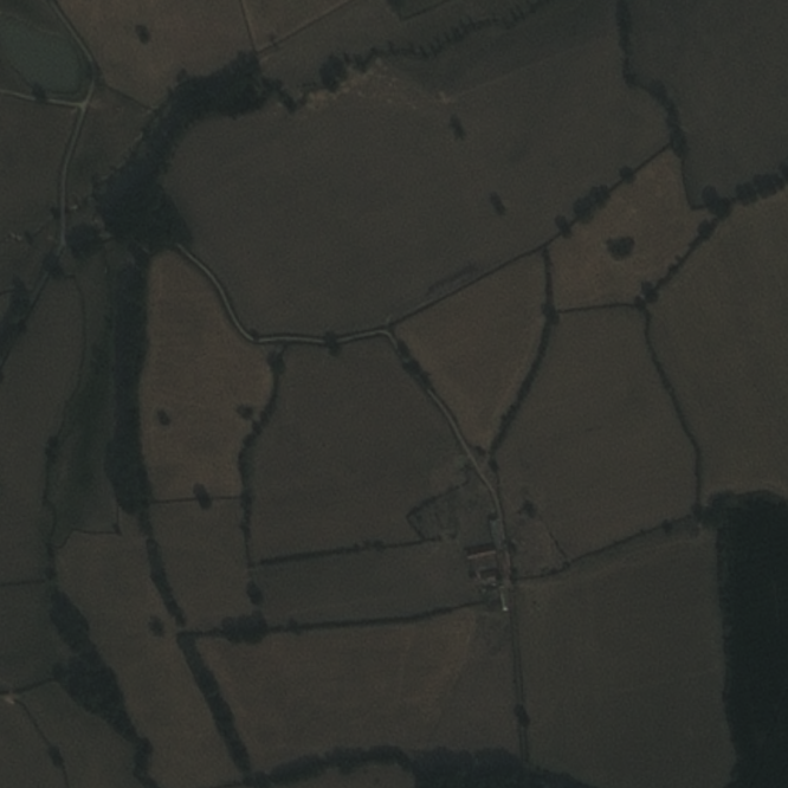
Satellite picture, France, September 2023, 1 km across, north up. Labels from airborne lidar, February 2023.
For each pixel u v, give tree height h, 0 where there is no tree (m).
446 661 0
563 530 0
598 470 0
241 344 0
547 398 0
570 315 0
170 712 0
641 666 0
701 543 0
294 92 0
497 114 0
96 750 0
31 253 0
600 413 0
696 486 0
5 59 0
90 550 0
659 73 0
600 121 0
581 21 0
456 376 0
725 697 8
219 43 0
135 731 6
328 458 0
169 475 0
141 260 19
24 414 0
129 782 0
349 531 0
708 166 0
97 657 23
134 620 0
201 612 0
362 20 0
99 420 0
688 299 0
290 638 0
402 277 0
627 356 0
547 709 0
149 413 0
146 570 0
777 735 6
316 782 0
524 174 0
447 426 0
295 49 0
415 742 0
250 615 0
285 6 0
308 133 0
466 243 0
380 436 0
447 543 0
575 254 0
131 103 0
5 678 0
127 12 0
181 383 0
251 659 0
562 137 0
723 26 0
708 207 14
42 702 0
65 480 0
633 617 0
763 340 0
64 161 0
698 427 0
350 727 0
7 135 0
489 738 0
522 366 0
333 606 0
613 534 0
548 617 0
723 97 0
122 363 21
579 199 0
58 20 0
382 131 0
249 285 0
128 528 0
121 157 0
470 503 0
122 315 18
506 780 27
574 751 0
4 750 0
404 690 0
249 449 7
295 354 0
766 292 0
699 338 0
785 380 0
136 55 0
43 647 0
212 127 0
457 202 0
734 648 7
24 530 0
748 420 0
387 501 0
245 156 0
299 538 0
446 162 0
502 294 0
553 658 0
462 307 0
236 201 0
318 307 0
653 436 0
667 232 0
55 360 0
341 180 0
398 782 0
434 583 0
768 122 0
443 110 0
